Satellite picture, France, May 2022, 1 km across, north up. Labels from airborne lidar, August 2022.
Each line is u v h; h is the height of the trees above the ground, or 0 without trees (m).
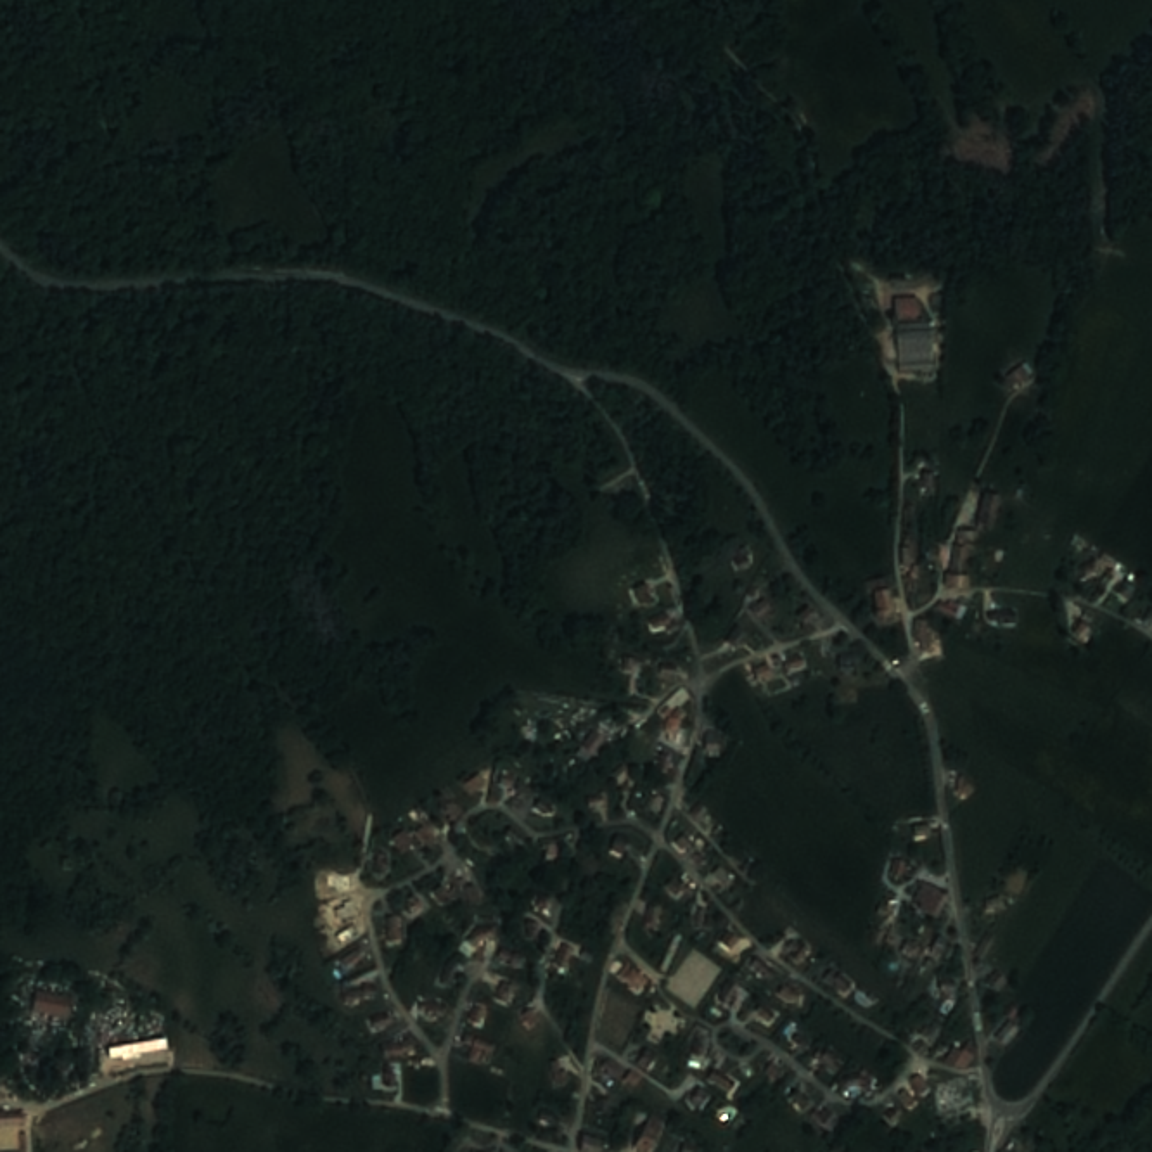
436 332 14
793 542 9
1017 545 0
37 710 16
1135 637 0
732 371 12
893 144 19
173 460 18
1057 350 15
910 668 0
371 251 19
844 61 0
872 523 0
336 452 18
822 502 12
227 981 0
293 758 0
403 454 0
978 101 18
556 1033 0
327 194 17
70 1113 0
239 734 16
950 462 0
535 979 10
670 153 17
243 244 15
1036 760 0
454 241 19
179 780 11
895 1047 9
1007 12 0
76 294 15
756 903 0
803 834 0
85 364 14
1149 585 10
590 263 19
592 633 15
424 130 17
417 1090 0
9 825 17
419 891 11
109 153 15
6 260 14
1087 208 19
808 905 0
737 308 16
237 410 17
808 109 0
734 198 8
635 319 18
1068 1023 0
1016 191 13
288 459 22
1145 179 10
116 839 12
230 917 0
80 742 20
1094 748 0
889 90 0
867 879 0
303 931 0
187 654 13
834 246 13
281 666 16
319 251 16
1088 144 14
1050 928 0
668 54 31
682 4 19
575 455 16
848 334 11
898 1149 7
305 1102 13
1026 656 0
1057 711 0
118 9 19
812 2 0
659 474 14
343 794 0
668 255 16
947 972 7
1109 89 13
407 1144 0
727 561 0
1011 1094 0
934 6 7
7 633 16
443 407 16
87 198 18
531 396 13
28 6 14
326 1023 8
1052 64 0
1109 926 0
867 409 0
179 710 16
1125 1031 7
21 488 16
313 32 20
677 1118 13
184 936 0
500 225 21
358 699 0
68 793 15
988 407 0
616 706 13
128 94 14
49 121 16
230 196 0
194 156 17
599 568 0
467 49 20
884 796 0
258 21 23
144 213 18
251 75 14
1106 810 0
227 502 17
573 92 16
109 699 16
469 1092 0
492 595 7
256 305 8
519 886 0
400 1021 0
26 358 14
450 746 0
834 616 0
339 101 20
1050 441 22
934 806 0
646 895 6
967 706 0
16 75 16
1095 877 0
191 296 9
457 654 0
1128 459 0
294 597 15
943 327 7
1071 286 17
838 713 17
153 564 17
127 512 17
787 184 19
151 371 11
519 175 15
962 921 0
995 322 0
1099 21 0
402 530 0
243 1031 7
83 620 14
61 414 17
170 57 16
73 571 16
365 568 0
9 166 13
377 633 0
